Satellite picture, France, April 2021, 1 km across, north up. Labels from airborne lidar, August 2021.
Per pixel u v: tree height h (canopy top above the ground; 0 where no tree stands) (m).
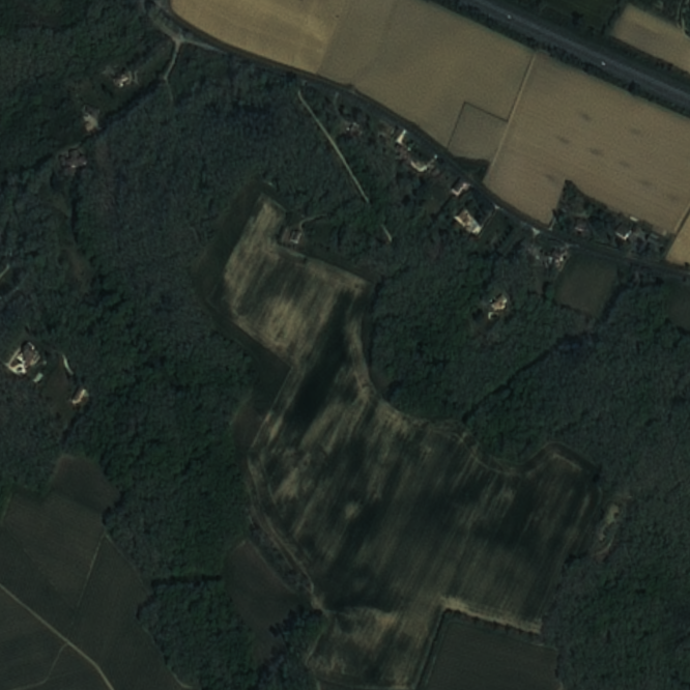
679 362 25
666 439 18
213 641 21
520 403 27
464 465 0
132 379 28
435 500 0
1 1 9
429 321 23
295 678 16
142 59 16
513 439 13
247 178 15
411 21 0
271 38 0
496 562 0
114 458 22
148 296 16
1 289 0
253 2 0
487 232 0
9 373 14
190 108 21
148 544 19
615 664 23
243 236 0
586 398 17
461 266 16
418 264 23
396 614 0
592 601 18
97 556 0
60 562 0
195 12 0
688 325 0
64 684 0
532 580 0
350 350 0
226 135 19
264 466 0
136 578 0
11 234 22
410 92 0
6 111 17
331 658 0
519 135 0
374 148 20
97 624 0
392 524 0
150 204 13
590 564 18
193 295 16
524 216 0
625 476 17
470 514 0
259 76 12
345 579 0
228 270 0
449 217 7
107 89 11
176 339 22
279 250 0
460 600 0
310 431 0
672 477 18
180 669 18
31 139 10
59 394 0
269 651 0
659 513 21
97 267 14
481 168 0
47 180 18
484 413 23
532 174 0
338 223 7
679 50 0
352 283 0
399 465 0
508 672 0
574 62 18
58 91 18
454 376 28
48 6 12
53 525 0
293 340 0
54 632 0
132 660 0
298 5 0
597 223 16
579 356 19
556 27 0
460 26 0
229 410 19
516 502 0
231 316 0
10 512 0
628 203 0
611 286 0
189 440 22
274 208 0
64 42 21
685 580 23
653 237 0
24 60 15
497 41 0
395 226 19
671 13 8
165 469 23
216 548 24
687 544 23
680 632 13
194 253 12
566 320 11
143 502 18
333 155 26
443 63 0
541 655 0
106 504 0
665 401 24
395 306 23
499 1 0
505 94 0
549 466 0
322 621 19
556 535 0
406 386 24
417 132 0
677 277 0
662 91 0
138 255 18
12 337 21
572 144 0
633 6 0
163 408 18
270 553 15
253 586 0
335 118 16
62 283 19
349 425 0
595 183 0
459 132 0
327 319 0
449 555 0
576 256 0
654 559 25
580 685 20
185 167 19
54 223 21
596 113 0
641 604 22
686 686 16
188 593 24
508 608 0
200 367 24
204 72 6
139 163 10
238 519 18
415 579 0
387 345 15
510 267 17
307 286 0
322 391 0
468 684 0
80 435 19
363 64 0
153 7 18
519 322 19
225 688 20
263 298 0
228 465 18
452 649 0
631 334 19
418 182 18
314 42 0
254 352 0
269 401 0
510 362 22
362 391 0
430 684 0
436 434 0
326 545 0
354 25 0
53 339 16
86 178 21
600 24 0
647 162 0
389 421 0
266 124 17
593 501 0
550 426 17
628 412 24
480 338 10
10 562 0
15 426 18
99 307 21
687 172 0
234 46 0
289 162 22
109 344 22
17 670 0
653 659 19
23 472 23
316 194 25
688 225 0
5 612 0
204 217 12
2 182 0
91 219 21
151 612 18
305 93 17
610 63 0
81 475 0
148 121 22
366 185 11
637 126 0
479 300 9
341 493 0
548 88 0
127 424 20
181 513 24
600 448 18
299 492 0
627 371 21
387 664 0
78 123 7
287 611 0
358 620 0
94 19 12
